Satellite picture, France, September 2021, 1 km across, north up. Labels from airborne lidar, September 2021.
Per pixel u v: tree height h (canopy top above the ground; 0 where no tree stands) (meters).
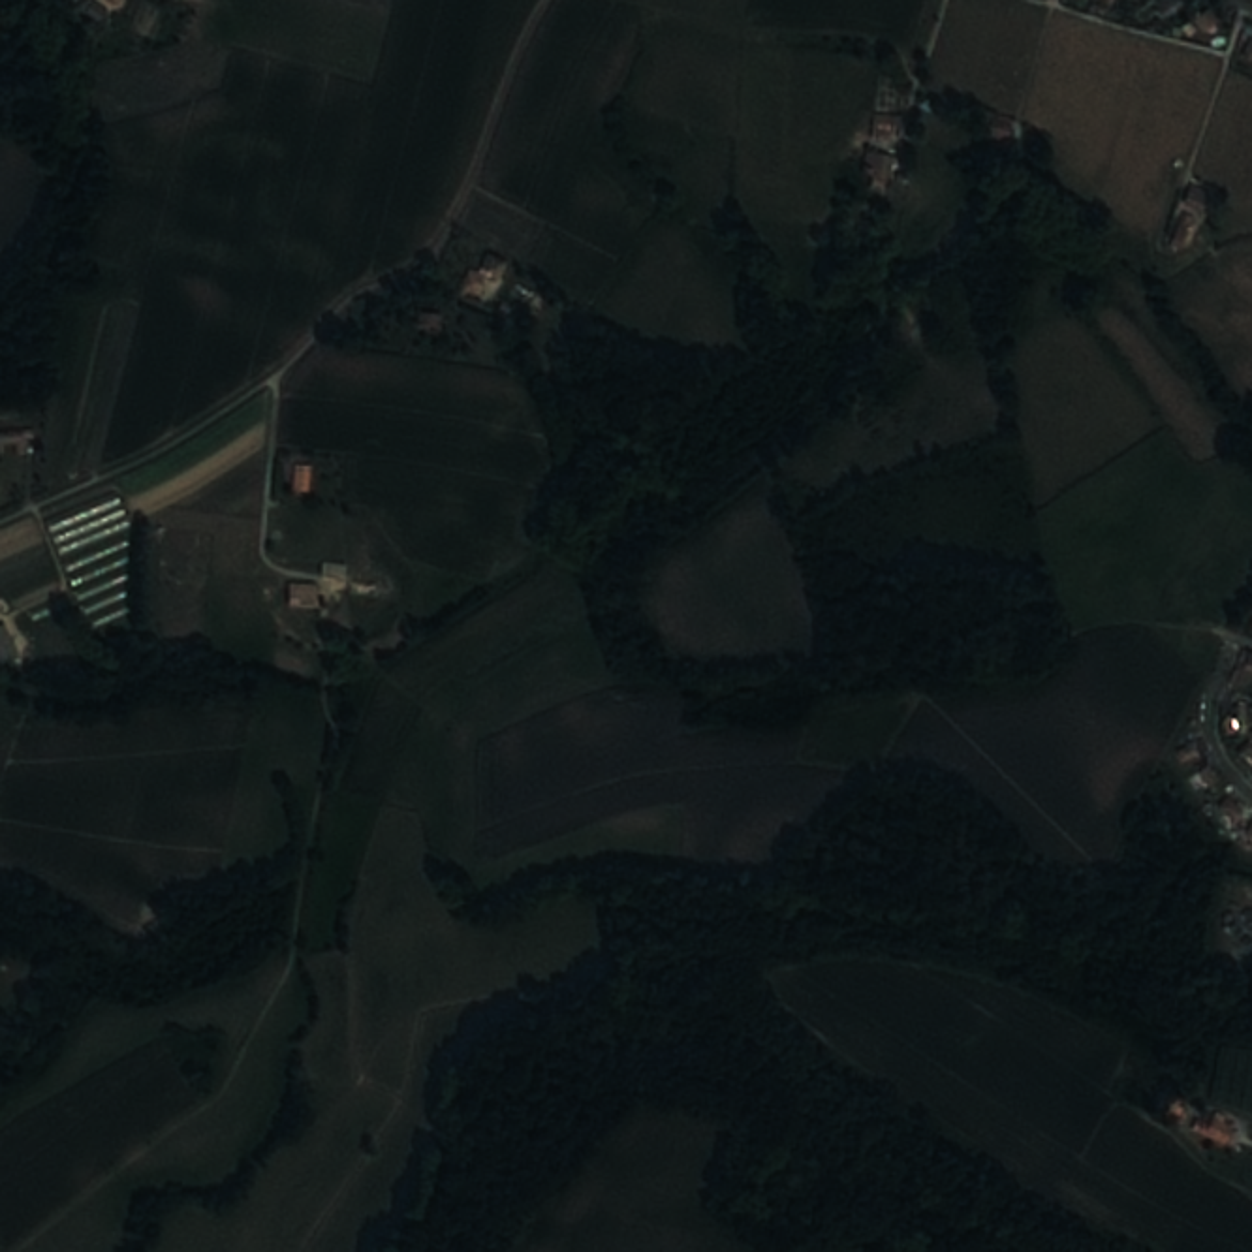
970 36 0
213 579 0
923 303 0
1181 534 0
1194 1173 0
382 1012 0
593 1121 23
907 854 20
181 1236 0
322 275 0
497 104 0
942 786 22
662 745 0
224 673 20
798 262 0
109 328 0
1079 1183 0
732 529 0
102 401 0
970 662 26
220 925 9
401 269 0
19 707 13
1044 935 26
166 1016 0
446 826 0
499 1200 26
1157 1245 0
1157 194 0
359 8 0
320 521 0
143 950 20
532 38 0
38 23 32
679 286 0
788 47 0
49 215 17
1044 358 0
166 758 0
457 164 0
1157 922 16
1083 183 0
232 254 0
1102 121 0
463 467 0
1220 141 0
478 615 0
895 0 0
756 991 19
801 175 0
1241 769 0
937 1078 0
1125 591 0
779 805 0
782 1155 21
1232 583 0
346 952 9
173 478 0
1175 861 18
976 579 23
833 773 0
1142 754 0
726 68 0
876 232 15
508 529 0
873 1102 18
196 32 0
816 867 15
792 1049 23
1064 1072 0
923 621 24
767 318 24
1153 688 0
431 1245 23
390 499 0
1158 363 0
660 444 6
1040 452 0
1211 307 0
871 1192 14
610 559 22
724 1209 20
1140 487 0
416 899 0
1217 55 0
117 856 0
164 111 0
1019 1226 27
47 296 18
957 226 0
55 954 29
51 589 0
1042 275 0
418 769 0
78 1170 0
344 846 0
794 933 23
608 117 10
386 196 0
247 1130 0
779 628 0
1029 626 27
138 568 17
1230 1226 0
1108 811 0
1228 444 18
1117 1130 0
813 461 0
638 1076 21
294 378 0
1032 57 0
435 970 0
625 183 0
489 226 0
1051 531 0
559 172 0
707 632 0
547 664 0
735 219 13
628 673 10
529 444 0
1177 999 27
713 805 0
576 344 24
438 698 0
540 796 0
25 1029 19
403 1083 0
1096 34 0
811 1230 24
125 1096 0
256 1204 0
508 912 21
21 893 22
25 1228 0
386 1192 0
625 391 25
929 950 9
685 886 22
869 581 12
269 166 0
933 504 0
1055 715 0
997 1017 0
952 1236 16
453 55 0
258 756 0
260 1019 0
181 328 0
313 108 0
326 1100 0
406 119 0
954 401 0
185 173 0
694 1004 17
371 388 0
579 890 19
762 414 7
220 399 0
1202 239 0
